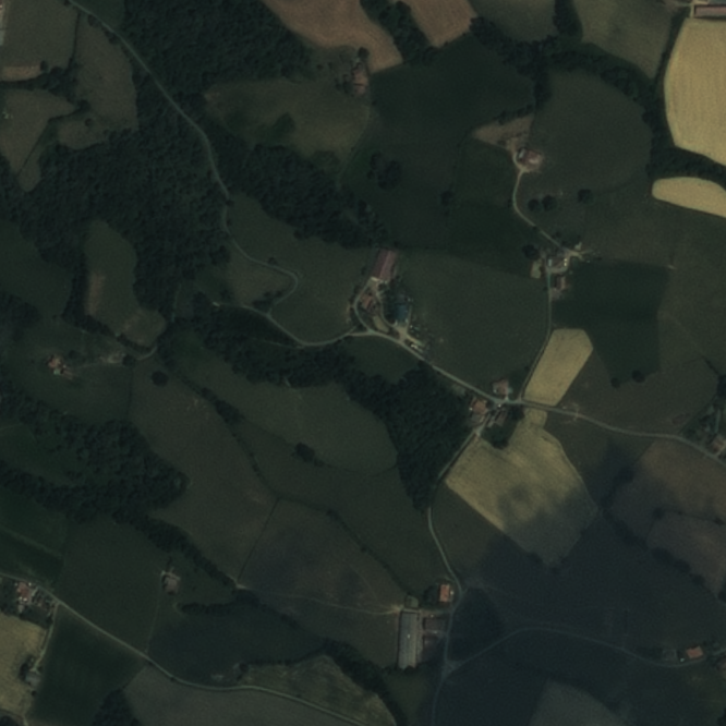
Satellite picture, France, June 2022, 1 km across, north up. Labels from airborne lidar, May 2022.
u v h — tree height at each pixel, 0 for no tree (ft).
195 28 46
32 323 46
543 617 0
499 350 0
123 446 50
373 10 25
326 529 0
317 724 0
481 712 0
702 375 0
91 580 0
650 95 28
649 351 0
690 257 0
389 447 0
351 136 0
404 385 55
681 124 0
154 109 26
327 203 96
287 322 0
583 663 0
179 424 0
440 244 0
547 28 0
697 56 0
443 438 44
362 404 55
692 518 0
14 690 0
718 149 0
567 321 0
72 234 48
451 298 0
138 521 63
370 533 0
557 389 0
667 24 0
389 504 0
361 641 0
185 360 0
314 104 0
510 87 0
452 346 0
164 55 52
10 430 0
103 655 0
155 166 33
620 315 0
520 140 0
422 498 74
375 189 0
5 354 24
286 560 0
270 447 0
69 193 38
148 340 0
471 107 0
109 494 38
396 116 0
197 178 31
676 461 0
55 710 0
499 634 32
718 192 0
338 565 0
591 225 0
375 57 0
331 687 0
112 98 0
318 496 0
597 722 0
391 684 0
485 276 0
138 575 0
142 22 22
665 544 0
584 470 0
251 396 0
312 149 0
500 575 0
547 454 0
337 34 0
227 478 0
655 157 33
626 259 0
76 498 67
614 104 0
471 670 0
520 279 0
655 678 0
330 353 67
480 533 0
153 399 0
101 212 80
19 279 0
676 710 0
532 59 74
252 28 56
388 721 0
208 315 24
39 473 0
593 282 0
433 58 40
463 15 0
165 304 66
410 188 0
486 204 0
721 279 0
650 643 0
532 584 0
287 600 0
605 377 0
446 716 0
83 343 0
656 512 40
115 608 0
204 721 0
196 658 0
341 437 0
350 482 0
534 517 0
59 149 42
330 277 0
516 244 0
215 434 0
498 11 0
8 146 0
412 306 0
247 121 0
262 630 0
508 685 0
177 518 0
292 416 0
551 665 0
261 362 53
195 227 41
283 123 0
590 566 0
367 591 0
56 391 0
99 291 0
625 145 0
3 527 0
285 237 0
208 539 0
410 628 0
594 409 0
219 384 0
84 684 0
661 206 0
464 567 0
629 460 0
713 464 0
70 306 38
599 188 0
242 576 0
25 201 37
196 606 40
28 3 0
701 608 0
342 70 0
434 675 0
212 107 0
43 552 0
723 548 0
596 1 0
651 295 0
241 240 0
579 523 0
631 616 0
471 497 0
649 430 0
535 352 0
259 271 0
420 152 0
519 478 0
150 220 62
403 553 0
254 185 41
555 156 0
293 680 0
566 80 0
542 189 0
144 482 60
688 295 0
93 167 39
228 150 38
